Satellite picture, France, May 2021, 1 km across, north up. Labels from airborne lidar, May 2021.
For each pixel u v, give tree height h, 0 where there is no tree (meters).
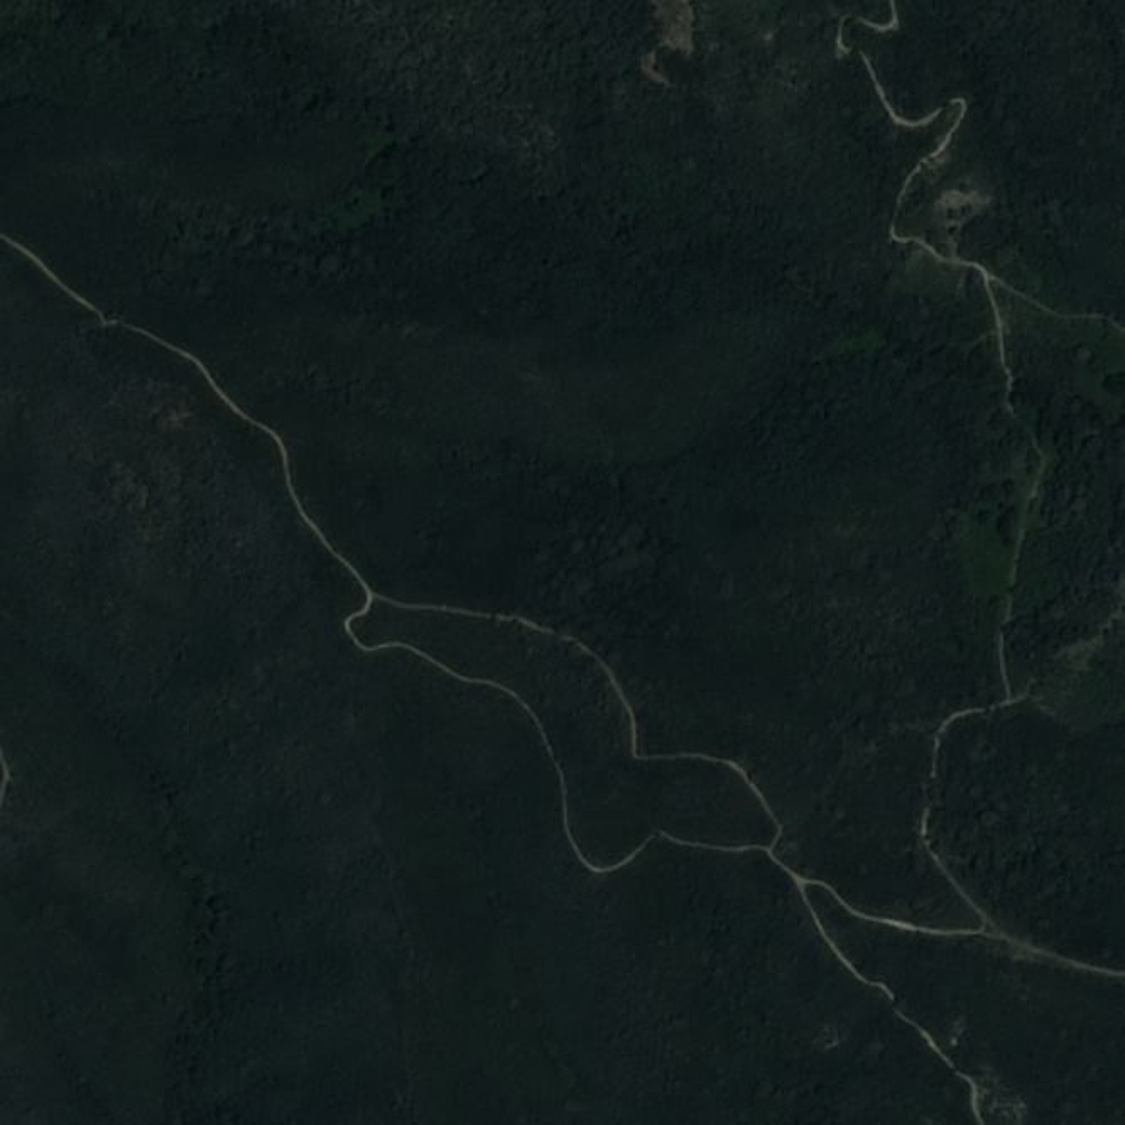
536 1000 7
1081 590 8
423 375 5
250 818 7
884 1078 8
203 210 9
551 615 7
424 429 7
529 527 7
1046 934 9
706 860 6
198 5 10
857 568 10
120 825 7
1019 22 9
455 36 9
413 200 14
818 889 6
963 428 12
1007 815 11
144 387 6
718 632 6
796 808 0
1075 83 9
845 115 7
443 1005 6
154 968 6
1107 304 7
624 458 6
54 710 7
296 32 11
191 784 6
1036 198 7
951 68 10
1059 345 6
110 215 7
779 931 6
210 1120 11
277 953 7
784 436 14
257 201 6
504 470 8
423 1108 6
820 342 13
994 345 6
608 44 8
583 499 8
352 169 6
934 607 7
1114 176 10
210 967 17
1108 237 5
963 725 8
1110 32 6
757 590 7
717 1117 8
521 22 13
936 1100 6
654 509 17
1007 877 14
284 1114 6
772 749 6
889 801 6
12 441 6
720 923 7
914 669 8
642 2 8
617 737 7
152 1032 6
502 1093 8
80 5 20
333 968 6
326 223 9
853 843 6
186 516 7
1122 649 8
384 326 9
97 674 6
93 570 6
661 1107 6
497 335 7
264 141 8
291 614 5
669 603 8
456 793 8
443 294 7
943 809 9
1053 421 19
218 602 5
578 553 6
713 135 6
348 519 7
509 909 6
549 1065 7
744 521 7
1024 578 6
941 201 0
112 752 7
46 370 5
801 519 6
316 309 5
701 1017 6
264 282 7
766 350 12
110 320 8
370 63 10
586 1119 7
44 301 5
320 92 8
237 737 7
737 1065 7
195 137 8
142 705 7
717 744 5
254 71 14
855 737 6
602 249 15
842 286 7
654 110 5
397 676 6
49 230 6
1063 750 10
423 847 5
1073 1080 7
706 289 9
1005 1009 6
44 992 7
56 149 6
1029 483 0
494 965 6
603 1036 6
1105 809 7
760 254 23
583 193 15
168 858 12
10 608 10
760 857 6
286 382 7
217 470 7
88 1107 7
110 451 7
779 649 7
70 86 7
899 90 7
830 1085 6
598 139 19
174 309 7
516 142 9
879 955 5
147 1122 8
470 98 7
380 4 13
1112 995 6
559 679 7
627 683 7
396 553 6
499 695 8
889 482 8
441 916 6
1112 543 6
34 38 14
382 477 7
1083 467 8
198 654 7
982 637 6
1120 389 16
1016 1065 7
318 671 8
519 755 6
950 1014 5
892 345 7
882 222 8
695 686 6
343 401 8
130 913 6
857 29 8
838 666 7
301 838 6
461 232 9
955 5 20
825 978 5
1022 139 10
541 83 8
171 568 8
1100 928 7
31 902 6
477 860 8
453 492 7
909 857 8
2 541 6
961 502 11
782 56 8
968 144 7
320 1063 6
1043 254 7
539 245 14
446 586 6
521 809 6
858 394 12
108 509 6
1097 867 17
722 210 15
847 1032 6
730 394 7
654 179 6
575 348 6
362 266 9
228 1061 6
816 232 7
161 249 9
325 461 6
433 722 6
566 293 7
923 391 11
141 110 9
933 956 6
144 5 12
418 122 11
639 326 7
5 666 6
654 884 7
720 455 17
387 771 7
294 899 6
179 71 13
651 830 6
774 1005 7
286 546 6
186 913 8
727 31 6
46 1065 6
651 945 6
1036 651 9
